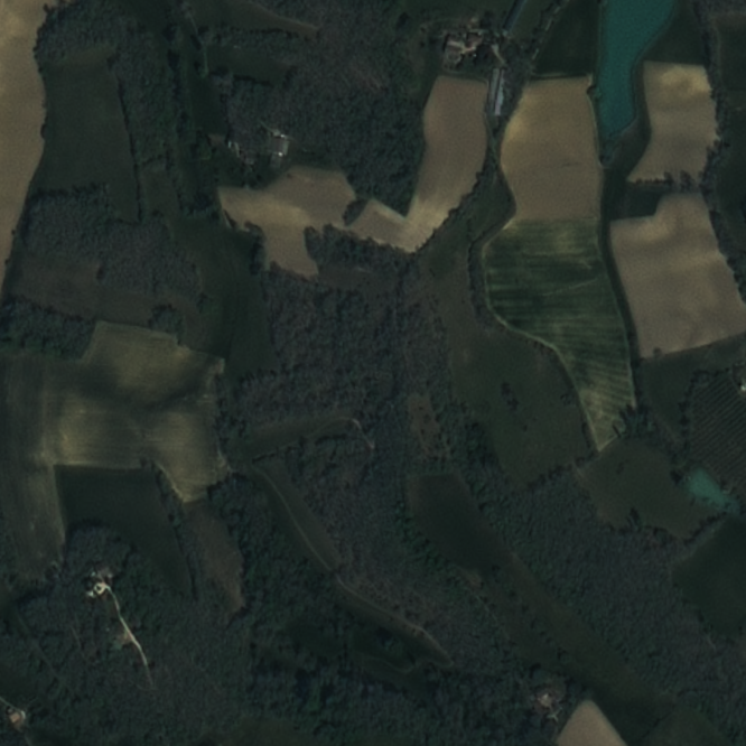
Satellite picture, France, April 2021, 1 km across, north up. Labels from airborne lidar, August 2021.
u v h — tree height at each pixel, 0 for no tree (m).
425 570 10
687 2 0
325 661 0
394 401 12
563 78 0
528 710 9
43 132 7
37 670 16
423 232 0
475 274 18
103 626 13
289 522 0
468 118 0
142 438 0
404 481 13
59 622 19
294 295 17
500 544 0
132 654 12
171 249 22
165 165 16
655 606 25
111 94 0
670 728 0
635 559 20
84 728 18
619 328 0
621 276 0
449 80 0
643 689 0
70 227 19
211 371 0
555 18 10
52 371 0
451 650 20
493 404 0
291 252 0
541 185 0
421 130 18
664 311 0
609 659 0
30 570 0
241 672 30
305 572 8
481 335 0
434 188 0
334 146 20
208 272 0
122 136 0
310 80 20
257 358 0
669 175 0
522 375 0
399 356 10
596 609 17
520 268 0
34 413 0
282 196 0
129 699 16
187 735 11
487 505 8
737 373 10
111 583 13
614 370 0
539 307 0
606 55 0
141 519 0
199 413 0
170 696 14
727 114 12
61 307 0
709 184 14
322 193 0
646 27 0
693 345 0
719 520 8
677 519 0
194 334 0
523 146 0
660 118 0
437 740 16
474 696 17
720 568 0
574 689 20
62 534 0
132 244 17
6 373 0
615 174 0
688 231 0
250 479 10
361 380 7
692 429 13
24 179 0
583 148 0
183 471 0
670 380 0
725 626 0
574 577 22
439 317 11
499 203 0
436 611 9
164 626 14
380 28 24
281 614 14
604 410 0
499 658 21
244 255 0
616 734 0
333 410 7
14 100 0
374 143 21
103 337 0
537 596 0
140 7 0
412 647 0
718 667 20
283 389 9
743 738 16
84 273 0
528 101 0
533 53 7
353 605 0
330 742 7
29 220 14
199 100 0
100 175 0
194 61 0
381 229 0
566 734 0
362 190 15
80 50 9
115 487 0
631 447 0
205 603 20
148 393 0
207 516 0
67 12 13
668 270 0
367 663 0
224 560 0
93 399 0
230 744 0
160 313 13
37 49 8
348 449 13
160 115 23
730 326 0
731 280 0
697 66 0
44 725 14
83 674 13
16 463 0
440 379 16
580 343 0
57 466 0
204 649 18
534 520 21
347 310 13
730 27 0
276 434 0
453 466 13
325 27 9
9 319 9
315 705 26
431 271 0
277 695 26
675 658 23
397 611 11
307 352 10
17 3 0
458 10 0
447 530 0
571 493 21
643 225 0
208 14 0
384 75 20
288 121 18
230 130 7
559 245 0
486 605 11
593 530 19
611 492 0
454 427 17
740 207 0
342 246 13
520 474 0
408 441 16
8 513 0
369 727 14
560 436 0
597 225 0
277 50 14
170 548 0
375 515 17
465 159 0
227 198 0
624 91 0
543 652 0
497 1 0
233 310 0
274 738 0
